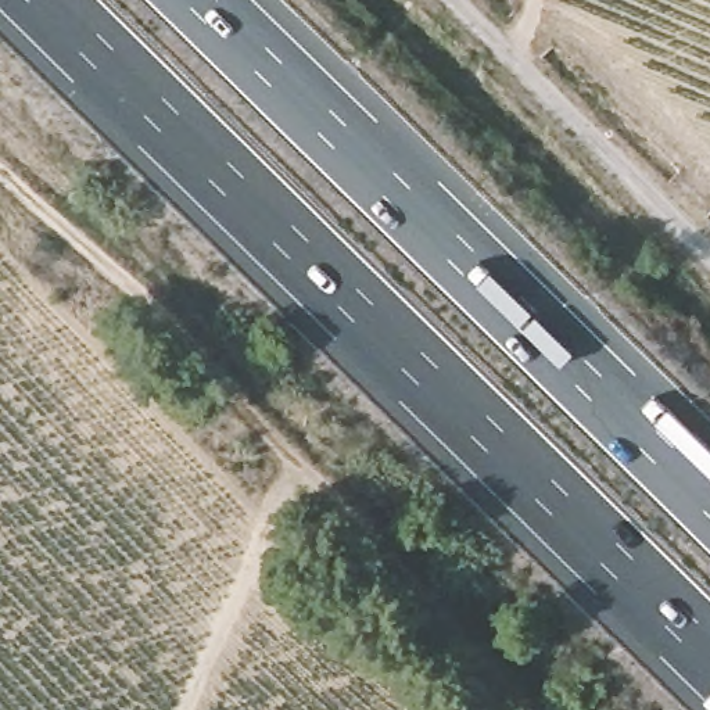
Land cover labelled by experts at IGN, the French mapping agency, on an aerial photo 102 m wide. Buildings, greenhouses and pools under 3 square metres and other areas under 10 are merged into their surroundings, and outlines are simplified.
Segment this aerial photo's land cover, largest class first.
<instances>
[{"label":"impervious surface","instance_id":"1","mask_svg":"<svg viewBox=\"0 0 710 710\"><path fill-rule=\"evenodd\" d=\"M0 44H6L78 116H83L92 125V130L116 153L114 161L122 164L133 183H147L155 178L161 186H166L158 205L175 208L214 250L222 252V263H208V272L219 277L236 272L244 275L261 291L258 305L266 313H275L286 305H297L302 311H322L333 322H338V336H333L330 344L313 361L322 372H330L333 380L327 388L341 397H352L361 413L377 422L394 444L419 458V463L427 469H435L441 460H447L469 480L466 488L455 494V502L466 508V519L458 521L460 538H471L474 533L488 535L494 530V516H510V524L524 541L513 555V566L499 577L502 585H508L516 594V599L530 607L538 605L544 610L546 630L552 632V641L557 646L566 643L571 635L582 630L591 641L610 643V660H616L621 671L632 677L646 702H655L663 710H710V452L666 408L657 405V397L666 391H688L702 399L707 388H702L677 361H671L660 349L657 341H652L632 322L630 313H641L643 300L635 294L630 283L618 277L616 283H607L602 288V280L594 272H582L577 261L569 255V247L560 244L544 225H535L530 214L521 211L519 200L505 194L494 183V178L480 166V161L471 158L455 141L449 128L438 119V114L419 100V94L410 86L394 83L388 72L372 58V53H361L336 22L333 11L319 0H0Z\"/></svg>","mask_w":710,"mask_h":710},{"label":"vineyard","instance_id":"2","mask_svg":"<svg viewBox=\"0 0 710 710\"><path fill-rule=\"evenodd\" d=\"M480 11H485V17L496 28L513 25V19L524 8V0H471ZM630 28L627 44L649 53V69L677 78L671 94L699 103L702 119L710 122V0H557ZM125 294L89 258L69 247L36 214H31L14 197V191H8L0 183V710H175L180 693L186 691V682L191 679L197 652H202L205 641L211 638L208 616L219 613L222 599H227V588L233 585V577L239 574L244 544L250 541V524L258 516V505L280 477V463L263 444L261 430L247 433L236 416L225 413H219L205 427H194L191 433H186L183 424L172 422L155 402L141 405L136 399L130 383L116 377L114 361L105 355V344L94 336V313L116 308V302L122 300ZM388 671H383L380 663L355 649L347 635L319 632V627L311 618H297L294 624H288L275 605L263 602L261 585L247 596L244 610L233 627L230 643L225 646L219 666L208 674V688L202 699L205 710H399V696L394 693V688L386 685Z\"/></svg>","mask_w":710,"mask_h":710},{"label":"herbaceous vegetation","instance_id":"3","mask_svg":"<svg viewBox=\"0 0 710 710\"><path fill-rule=\"evenodd\" d=\"M0 139L42 180L61 191L72 186L61 166L83 169L86 164H92V169H100V186L116 191L133 208V222H125L128 230L122 239H111L103 230L92 239L111 258H116L133 277L147 283L150 291L144 297L125 294L122 300L128 311L136 316L133 327L144 333V341H155L164 347L155 374L172 383L175 399L180 405L202 397L208 383H216L222 394L236 399L247 397L252 405H258L261 413H266L275 422V427L316 466L322 463V455L316 452L322 438H341L344 430L363 427L374 435V444L366 452L369 458L386 452L416 477H427V469L419 463V458L394 444L377 422L361 413L352 397H341L327 388L333 380L330 372H322L313 361L330 344L333 336H338V322H333L322 311H302L297 305H286L275 313H266L258 305L261 291L244 275L236 272L219 277L208 272V263H222V252L214 250L175 208L158 205L166 186H161L155 178L147 183H133L122 164L114 161L116 153L92 130V125L83 116H78L6 44H0ZM252 324L261 327L263 336L286 347L288 363L283 369L266 372L263 366L247 361V338ZM574 652V660L591 668V679L582 682L580 693L582 710H663L655 702H646L632 677L621 671L616 660H610V643L591 641L582 630L571 635L566 643Z\"/></svg>","mask_w":710,"mask_h":710},{"label":"coniferous trees","instance_id":"4","mask_svg":"<svg viewBox=\"0 0 710 710\"><path fill-rule=\"evenodd\" d=\"M297 499L305 505V538L286 527L275 513L269 516V549L261 555V585L263 602L275 605L288 624H294L297 618H311L319 627V632L347 635L355 649L380 663L383 671H388L386 685L394 688V693L399 696V710H566L563 704H552L544 696V682L549 679L557 646L552 641V632L546 630L544 610L538 605L530 607L519 632L521 643L535 649V657L530 663L508 660L502 649L494 646L491 616L502 605H510L516 599V594L508 585H502L499 577L491 563L477 571L458 569L463 552L441 555L435 549H405L397 535V521L408 513V488L377 485L361 474H349L330 485H322L319 491H305Z\"/></svg>","mask_w":710,"mask_h":710},{"label":"brushwood","instance_id":"5","mask_svg":"<svg viewBox=\"0 0 710 710\"><path fill-rule=\"evenodd\" d=\"M333 11L336 22L361 53H372V58L388 72L394 83L410 86L419 94V100L438 114V119L449 128L455 141L471 158L480 161V166L494 178V183L505 194L519 200L521 211L530 214L535 225H544L560 244L569 247V255L577 261L582 272H594L602 280V288L607 283H616L618 277L635 261L641 244H649L666 261V275L646 277L638 272L635 277H630V283L635 294L643 300L641 313H630L632 322L652 341H657L660 349L671 361H677L702 388H707L702 399L688 391H666L657 397V405L666 408L710 452V302H704L699 294L688 291L679 283L682 266L696 258L677 241L671 230H666V222L646 214L621 216L607 211L541 144L538 136H533L513 114H508L469 69H463L455 61V55L438 47L422 31L419 22L408 17V11L397 0H319ZM0 158L53 205L61 191L42 180L0 139Z\"/></svg>","mask_w":710,"mask_h":710},{"label":"plowed land","instance_id":"6","mask_svg":"<svg viewBox=\"0 0 710 710\"><path fill-rule=\"evenodd\" d=\"M408 11V17L419 22L422 31L438 47L455 55V61L463 69H469L508 114H513L533 136H538L541 144L607 211L621 216L646 214L635 202V197L621 186V180L591 155L580 136L563 125L560 116L544 108V103H538L535 92H530L494 55V50L485 42H480L471 31L460 25V19L444 6V0H397ZM630 28L557 0H544L541 19L530 44L535 67H541L546 78L557 80L560 89L577 105H582L599 128L613 130L624 141V147H630L635 158L660 178L663 191L677 205L666 222V230H671L677 241L696 258L682 266L679 283L688 291L699 294L704 302H710V122L702 119L699 103L671 94L677 78L649 69V53L627 44Z\"/></svg>","mask_w":710,"mask_h":710},{"label":"deciduous trees","instance_id":"7","mask_svg":"<svg viewBox=\"0 0 710 710\"><path fill-rule=\"evenodd\" d=\"M72 186L61 191L53 205L92 239L103 230L111 239H122L128 230L125 222H133V208L116 191L100 186V169H92V164H86L83 169L61 166ZM638 272L646 277L666 275V261L649 244H641L635 261L618 277L630 283V277H635ZM136 316L128 311L122 300L116 302V308L94 313V336L105 344V355L114 361L116 377L130 383L136 399L141 405L155 402L172 422L183 424L186 433H191L194 427H205L219 413H225L236 405V399L222 394L216 383H208L202 397L180 405L175 399L172 383L155 374L164 347L155 341H144V333L133 327ZM247 361L263 366L266 372L283 369L288 363L286 347L263 336L261 327L252 324L247 338ZM374 444V435L363 427L344 430L341 438H322L316 452L322 455V463L316 466L324 474L322 485H330L349 474H361L377 485L408 488V513L397 521V535L405 549H435L441 555L463 552L458 569L477 571L491 563L499 577L513 566V555L524 541L510 524V516H494V530L488 535L474 533L471 538H460L458 521L466 519V508L455 502V494L466 488L469 480L447 460H441L435 469H427V477H416L386 452L369 458L366 452ZM286 527L305 538V505L297 499L286 502L275 513ZM530 607L516 599L510 605H502L491 616L494 646L502 649L508 660L530 663L535 657V649L521 643L519 632ZM591 679V668L574 660V652L566 643L557 646L549 679L544 682V696L552 704H563L566 710H582L580 693L582 682Z\"/></svg>","mask_w":710,"mask_h":710},{"label":"pervious surface","instance_id":"8","mask_svg":"<svg viewBox=\"0 0 710 710\"><path fill-rule=\"evenodd\" d=\"M444 6L460 19V25L471 31L480 42H485L494 50V55L530 92H535L538 103H544V108L560 116L563 125L580 136L591 155L621 180V186L635 197V202L646 214L666 222L677 205L663 191L660 178L635 158L630 147H624V141L613 130L599 128L582 105H577L560 89L557 80L546 78L541 67H535L530 44L541 19L544 0H524V8L513 19V25L496 28L485 17V11H480L471 0H444ZM0 183L8 191H14V197L31 214H36L69 247L89 258L125 294L144 297L150 291L147 283L133 277L116 258H111L92 239L53 205L0 158ZM225 413L236 416L247 433L261 430L263 444L280 463V477L258 505V516L250 524V541L244 544L239 574L233 577V585L227 588V599H222L219 613L208 616L211 638L205 641L202 652H197L191 679L186 682V691L180 693L175 710H205L202 699L208 688V674L219 666L225 646L230 643L233 627L244 610L247 596L261 585V555L269 549V516L275 513L286 502L297 499L305 491H319L322 485L324 474L316 466L275 427V422L266 413H261L258 405H252L247 397L236 399V405Z\"/></svg>","mask_w":710,"mask_h":710}]
</instances>
